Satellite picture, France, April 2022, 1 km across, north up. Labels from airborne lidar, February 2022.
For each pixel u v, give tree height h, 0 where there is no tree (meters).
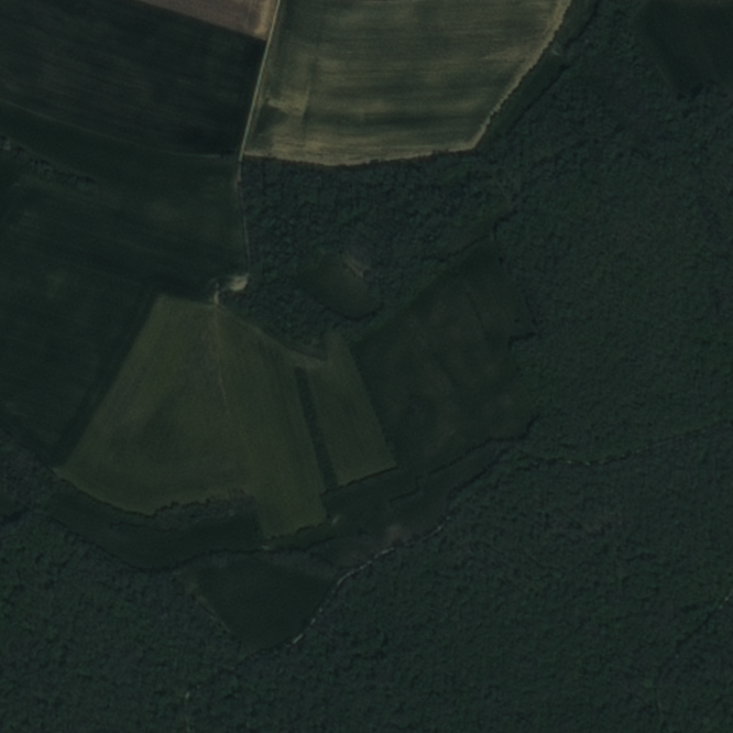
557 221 20
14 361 0
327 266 0
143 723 24
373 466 0
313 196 25
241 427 0
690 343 27
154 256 0
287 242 17
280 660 16
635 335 23
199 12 0
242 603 0
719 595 16
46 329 0
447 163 23
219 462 0
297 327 10
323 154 0
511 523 21
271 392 0
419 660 23
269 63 0
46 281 0
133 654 24
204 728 31
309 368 0
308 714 25
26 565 25
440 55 0
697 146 17
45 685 26
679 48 0
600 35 17
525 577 23
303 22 0
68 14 0
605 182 18
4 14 0
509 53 0
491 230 0
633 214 25
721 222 25
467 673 23
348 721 22
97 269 0
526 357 20
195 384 0
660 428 22
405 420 0
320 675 21
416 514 0
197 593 0
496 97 0
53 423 0
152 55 0
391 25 0
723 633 24
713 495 23
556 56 0
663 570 23
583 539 24
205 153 0
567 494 23
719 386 24
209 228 0
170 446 0
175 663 18
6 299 0
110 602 24
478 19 0
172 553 0
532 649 24
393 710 23
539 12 0
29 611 25
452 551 24
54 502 9
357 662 23
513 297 0
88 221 0
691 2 0
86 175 0
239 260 0
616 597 22
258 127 0
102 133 0
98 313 0
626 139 23
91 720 24
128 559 0
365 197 21
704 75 0
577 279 22
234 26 0
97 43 0
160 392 0
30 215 0
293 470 0
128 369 0
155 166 0
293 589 0
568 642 22
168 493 0
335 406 0
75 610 25
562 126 19
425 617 25
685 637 24
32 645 26
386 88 0
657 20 0
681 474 23
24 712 27
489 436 0
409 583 24
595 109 22
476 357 0
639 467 24
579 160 16
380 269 13
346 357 0
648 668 27
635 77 18
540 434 19
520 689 21
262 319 20
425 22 0
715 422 22
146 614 16
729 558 19
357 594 22
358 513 0
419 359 0
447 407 0
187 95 0
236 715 28
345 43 0
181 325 0
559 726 23
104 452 0
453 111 0
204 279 0
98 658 25
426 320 0
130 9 0
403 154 0
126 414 0
